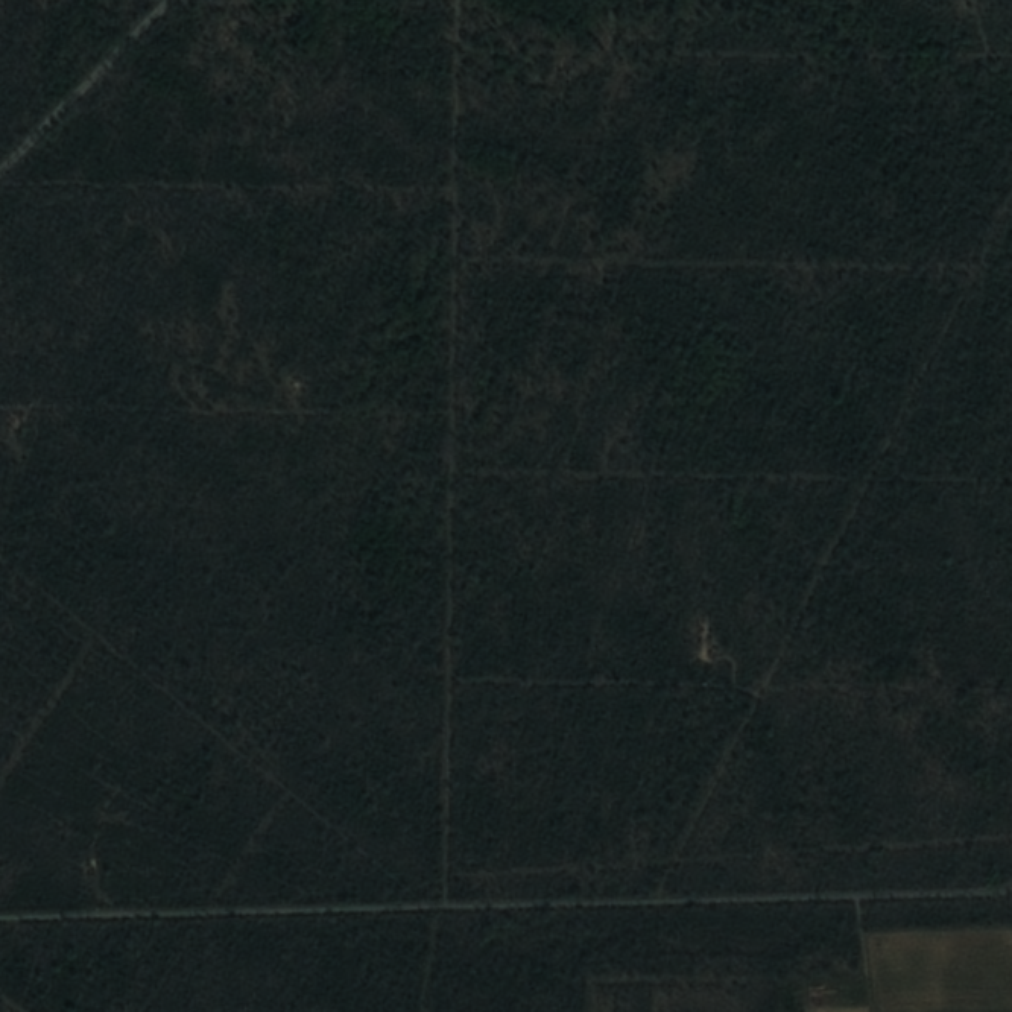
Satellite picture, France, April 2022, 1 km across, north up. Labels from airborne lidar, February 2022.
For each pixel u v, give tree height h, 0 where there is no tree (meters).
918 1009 0
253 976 7
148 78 8
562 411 9
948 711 10
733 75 9
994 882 10
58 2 11
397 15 14
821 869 7
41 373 9
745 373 8
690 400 10
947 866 7
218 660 10
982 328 10
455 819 7
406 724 9
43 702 9
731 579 5
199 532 7
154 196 6
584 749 6
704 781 10
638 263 0
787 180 10
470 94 9
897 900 10
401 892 10
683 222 6
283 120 9
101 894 0
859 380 12
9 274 11
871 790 7
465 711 11
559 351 8
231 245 7
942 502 13
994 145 9
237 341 7
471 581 14
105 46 17
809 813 16
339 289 9
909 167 8
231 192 12
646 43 11
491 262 8
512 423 13
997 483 10
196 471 7
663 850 9
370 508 11
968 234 7
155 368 11
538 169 12
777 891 10
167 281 7
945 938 0
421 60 13
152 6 14
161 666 10
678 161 0
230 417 7
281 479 9
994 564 8
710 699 15
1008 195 11
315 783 8
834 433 6
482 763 9
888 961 0
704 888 7
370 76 8
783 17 15
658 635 10
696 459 7
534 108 6
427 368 10
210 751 13
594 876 14
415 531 10
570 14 12
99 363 11
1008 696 8
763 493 11
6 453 8
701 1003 8
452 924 9
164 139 11
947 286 12
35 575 10
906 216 9
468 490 14
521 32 0
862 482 11
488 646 8
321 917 8
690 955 10
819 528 12
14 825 0
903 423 9
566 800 11
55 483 11
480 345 6
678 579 6
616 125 11
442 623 9
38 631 9
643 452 8
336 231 9
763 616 11
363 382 12
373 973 10
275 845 9
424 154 9
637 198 9
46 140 14
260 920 7
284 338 10
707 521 8
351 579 11
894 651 10
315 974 11
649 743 6
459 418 7
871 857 8
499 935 13
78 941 6
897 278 6
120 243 11
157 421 10
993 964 0
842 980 0
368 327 9
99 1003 7
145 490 9
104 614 8
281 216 8
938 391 10
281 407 8
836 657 8
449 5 9
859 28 9
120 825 0
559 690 10
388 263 11
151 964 7
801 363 7
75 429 11
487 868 9
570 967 11
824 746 10
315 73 12
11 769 0
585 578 6
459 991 12
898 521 10
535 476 9
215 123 15
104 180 10
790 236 8
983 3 8
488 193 11
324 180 10
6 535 11
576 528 14
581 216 12
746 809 13
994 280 11
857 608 6
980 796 6
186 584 9
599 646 6
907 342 9
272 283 10
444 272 13
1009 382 9
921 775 7
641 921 16
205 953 8
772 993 12
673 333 7
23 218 12
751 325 6
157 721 6
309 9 15
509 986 12
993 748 9
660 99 12
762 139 9
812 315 10
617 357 9
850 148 6
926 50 14
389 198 11
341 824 8
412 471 14
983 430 8
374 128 6
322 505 10
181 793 7
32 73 11
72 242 9
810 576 13
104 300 6
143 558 12
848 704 6
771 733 10
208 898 6
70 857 0
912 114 6
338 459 11
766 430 5
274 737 11
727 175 12
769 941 0
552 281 9
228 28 9
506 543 8
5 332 11
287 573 18
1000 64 12
